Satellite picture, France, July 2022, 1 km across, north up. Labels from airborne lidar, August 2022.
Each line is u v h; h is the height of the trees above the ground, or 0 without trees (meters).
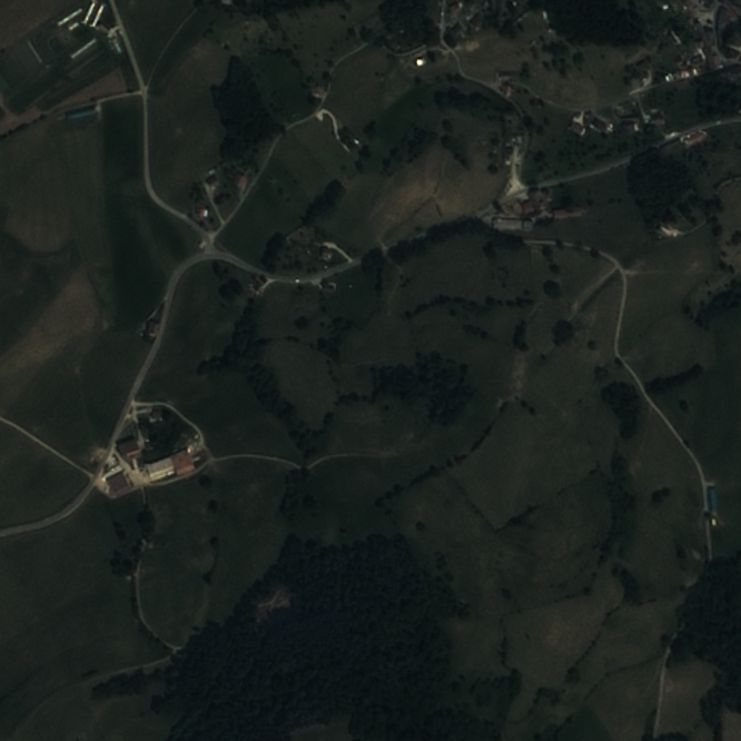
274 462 0
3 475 0
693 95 0
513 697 6
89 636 0
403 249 18
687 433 0
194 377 0
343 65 0
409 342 0
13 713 0
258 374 16
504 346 0
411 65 0
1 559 0
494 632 0
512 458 0
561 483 0
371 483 0
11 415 0
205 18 0
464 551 0
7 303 0
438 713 18
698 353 0
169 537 0
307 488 0
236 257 0
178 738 7
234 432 0
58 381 0
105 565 0
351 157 0
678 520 0
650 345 0
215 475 0
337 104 0
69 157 0
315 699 18
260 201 0
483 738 6
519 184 0
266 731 21
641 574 0
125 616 0
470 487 0
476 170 0
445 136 7
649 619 0
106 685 9
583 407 0
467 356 0
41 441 0
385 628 20
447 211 0
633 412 17
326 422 7
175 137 0
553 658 0
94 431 0
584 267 0
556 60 9
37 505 0
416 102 0
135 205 0
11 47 0
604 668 0
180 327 0
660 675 0
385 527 0
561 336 20
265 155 0
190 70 0
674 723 0
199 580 0
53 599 0
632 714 0
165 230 0
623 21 16
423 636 15
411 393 26
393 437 0
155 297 0
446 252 0
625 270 0
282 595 0
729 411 0
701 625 24
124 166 0
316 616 28
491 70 0
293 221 0
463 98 25
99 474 0
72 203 0
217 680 11
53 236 0
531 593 0
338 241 0
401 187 0
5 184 0
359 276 0
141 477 0
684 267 0
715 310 16
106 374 0
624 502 8
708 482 0
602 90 0
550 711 0
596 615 0
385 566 19
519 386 0
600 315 0
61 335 0
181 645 0
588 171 0
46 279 0
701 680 0
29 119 0
